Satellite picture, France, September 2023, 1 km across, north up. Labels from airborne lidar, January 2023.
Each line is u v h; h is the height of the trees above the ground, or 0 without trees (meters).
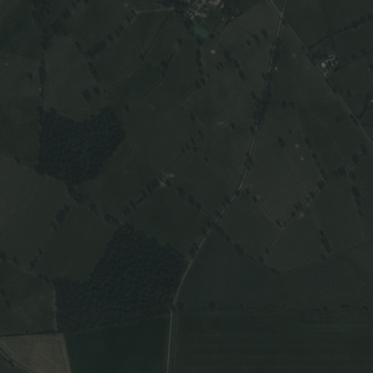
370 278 0
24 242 0
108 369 0
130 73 0
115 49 0
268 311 0
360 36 0
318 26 0
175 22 0
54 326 0
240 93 0
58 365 0
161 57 0
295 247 0
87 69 0
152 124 0
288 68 0
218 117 0
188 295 0
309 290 0
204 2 0
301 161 0
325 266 0
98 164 11
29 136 0
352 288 0
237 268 0
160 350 0
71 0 0
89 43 0
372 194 0
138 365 0
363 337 0
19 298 0
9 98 0
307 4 0
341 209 0
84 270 0
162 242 0
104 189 0
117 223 15
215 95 0
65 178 9
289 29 0
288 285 0
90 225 0
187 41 0
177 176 0
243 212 0
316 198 0
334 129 0
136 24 0
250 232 0
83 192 0
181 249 0
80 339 0
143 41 0
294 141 0
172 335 0
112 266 16
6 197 0
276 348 0
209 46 0
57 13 0
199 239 0
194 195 0
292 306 0
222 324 0
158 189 0
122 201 0
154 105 0
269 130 0
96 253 0
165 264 10
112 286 22
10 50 0
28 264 0
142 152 0
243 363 0
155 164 0
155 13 0
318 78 0
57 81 0
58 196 0
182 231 0
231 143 0
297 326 0
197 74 0
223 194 0
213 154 0
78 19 0
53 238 0
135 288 20
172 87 0
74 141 11
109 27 0
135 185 0
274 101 0
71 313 18
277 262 0
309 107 0
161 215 0
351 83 0
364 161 0
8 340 0
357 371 0
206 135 0
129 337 0
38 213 0
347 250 0
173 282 6
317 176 0
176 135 0
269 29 0
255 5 0
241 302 0
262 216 0
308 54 8
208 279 0
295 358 0
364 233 0
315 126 0
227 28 0
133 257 20
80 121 0
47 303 0
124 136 9
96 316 18
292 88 0
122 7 0
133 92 0
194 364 0
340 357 0
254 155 0
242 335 0
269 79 8
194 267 0
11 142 0
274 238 0
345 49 0
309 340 0
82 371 0
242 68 0
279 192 0
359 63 0
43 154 16
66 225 0
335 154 0
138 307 16
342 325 0
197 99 0
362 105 0
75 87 0
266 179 0
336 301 0
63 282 16
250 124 0
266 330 0
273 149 0
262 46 0
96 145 8
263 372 0
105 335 0
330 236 0
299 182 0
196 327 0
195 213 0
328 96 0
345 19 0
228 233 0
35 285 0
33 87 0
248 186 0
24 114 0
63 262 0
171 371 0
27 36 0
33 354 0
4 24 0
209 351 0
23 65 0
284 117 0
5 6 0
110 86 0
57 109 0
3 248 0
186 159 0
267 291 0
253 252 0
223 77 0
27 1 0
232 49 0
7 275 0
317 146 0
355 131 0
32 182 0
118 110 0
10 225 0
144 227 0
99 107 0
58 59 0
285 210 0
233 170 0
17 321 0
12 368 0
